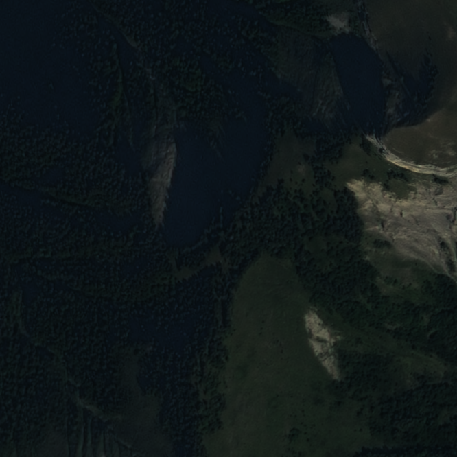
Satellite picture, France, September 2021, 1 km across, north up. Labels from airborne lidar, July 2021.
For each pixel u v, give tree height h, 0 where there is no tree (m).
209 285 19
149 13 24
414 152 0
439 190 0
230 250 7
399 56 0
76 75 30
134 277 26
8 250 29
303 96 0
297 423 0
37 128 20
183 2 26
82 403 0
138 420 0
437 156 0
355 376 9
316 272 10
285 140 0
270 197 23
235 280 20
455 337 21
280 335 0
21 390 15
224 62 17
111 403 11
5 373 11
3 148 30
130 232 13
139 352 9
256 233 13
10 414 8
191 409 21
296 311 0
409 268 0
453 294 27
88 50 27
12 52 29
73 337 10
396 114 0
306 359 0
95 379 15
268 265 0
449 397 15
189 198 0
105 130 24
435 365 0
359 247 8
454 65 0
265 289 0
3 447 6
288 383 0
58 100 13
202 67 9
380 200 0
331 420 0
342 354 6
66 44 22
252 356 0
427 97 11
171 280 7
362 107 0
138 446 0
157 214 0
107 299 6
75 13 27
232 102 6
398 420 19
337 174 0
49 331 14
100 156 26
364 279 10
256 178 13
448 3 0
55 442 0
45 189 28
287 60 0
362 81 0
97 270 14
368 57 0
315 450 0
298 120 8
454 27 0
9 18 21
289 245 16
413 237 0
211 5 16
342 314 16
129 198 27
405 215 0
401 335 17
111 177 20
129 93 9
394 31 0
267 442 0
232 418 0
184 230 0
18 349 9
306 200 14
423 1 0
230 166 0
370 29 9
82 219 9
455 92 0
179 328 7
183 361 20
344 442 0
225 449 0
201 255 15
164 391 19
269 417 0
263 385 0
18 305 6
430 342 19
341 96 0
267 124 16
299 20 12
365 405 6
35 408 7
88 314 13
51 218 29
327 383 0
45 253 24
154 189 0
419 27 0
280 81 0
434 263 0
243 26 22
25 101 29
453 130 0
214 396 6
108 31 21
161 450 0
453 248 0
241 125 0
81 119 8
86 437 0
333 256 6
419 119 0
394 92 0
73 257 16
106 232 11
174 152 0
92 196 7
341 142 11
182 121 0
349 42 0
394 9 0
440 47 0
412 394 10
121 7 31
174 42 17
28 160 22
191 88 16
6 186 18
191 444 20
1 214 30
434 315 10
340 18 0
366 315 18
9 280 14
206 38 23
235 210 19
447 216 0
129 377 0
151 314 10
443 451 15
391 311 13
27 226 40
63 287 17
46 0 32
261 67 9
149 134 0
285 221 26
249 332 0
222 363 19
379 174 0
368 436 0
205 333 10
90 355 15
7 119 29
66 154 12
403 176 16
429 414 12
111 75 23
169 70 17
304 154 0
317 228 11
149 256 17
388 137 0
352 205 18
